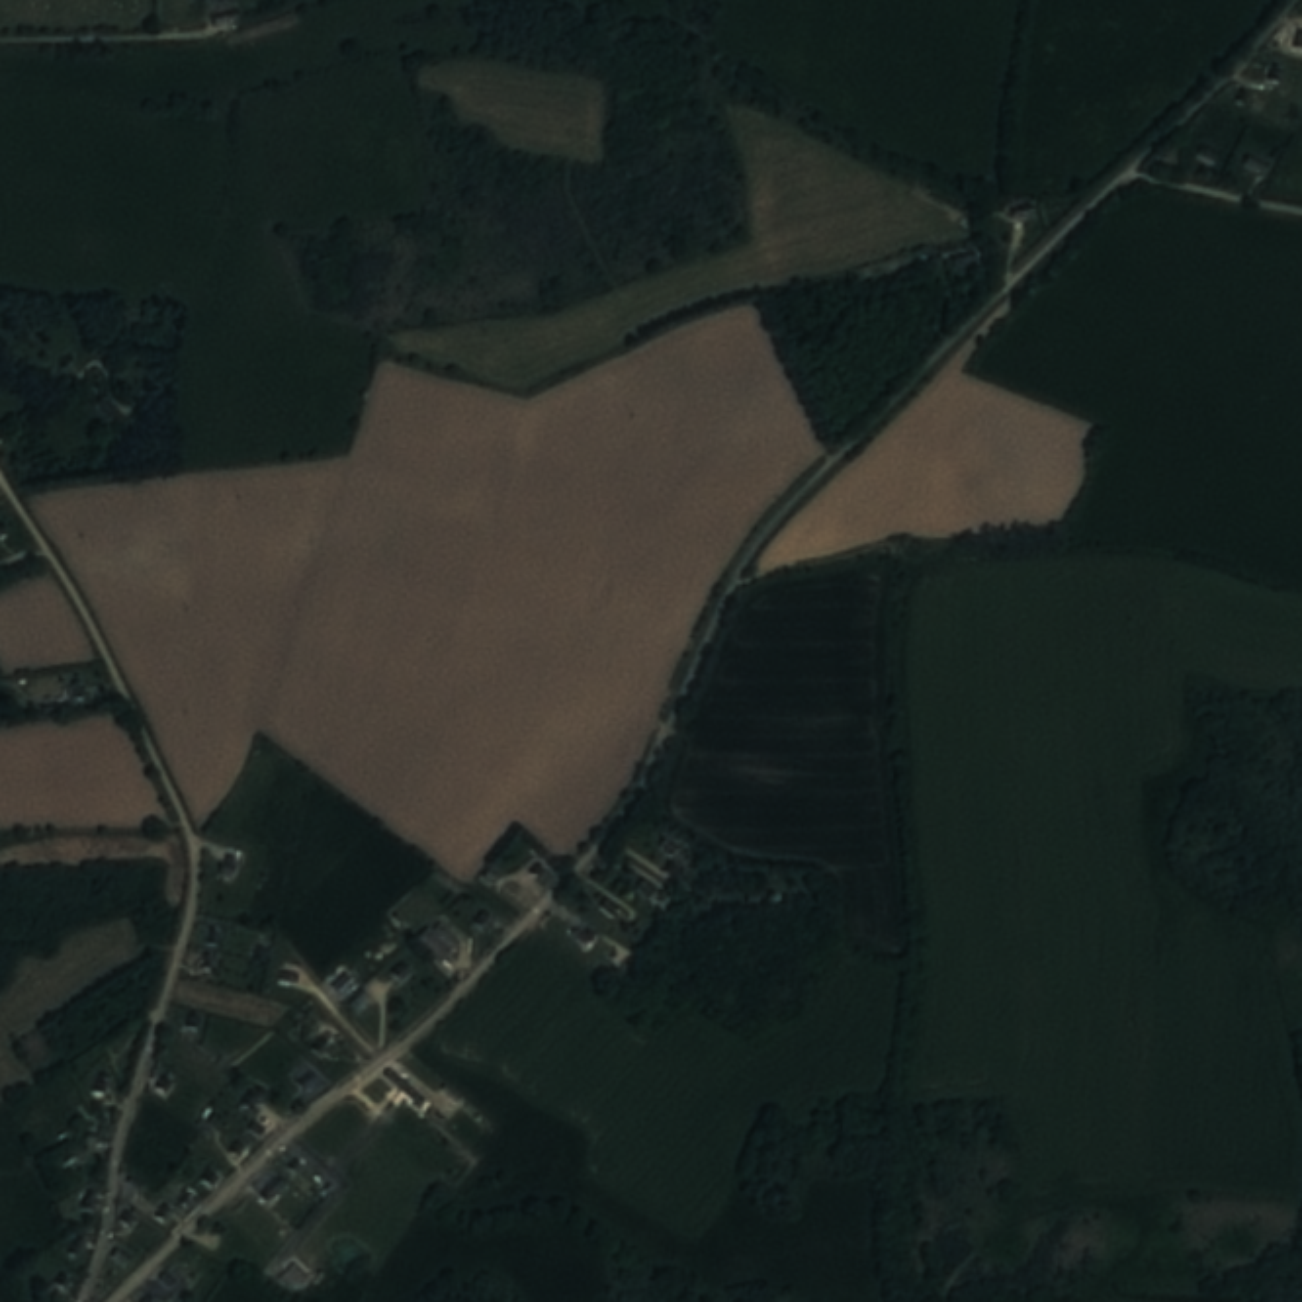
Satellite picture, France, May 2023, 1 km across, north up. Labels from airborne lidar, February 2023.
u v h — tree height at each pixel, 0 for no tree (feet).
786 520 0
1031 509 0
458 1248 0
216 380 0
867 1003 0
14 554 0
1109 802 0
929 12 0
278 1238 0
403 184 0
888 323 46
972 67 0
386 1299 0
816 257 0
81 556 0
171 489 0
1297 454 0
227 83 0
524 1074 0
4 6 0
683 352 0
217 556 0
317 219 0
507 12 60
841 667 0
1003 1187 31
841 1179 21
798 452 0
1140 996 0
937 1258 23
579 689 0
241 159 0
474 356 0
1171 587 0
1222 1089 0
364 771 0
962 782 0
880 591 0
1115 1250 0
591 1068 0
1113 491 0
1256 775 24
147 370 62
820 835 0
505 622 0
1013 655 0
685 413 0
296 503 0
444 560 0
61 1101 0
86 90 0
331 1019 0
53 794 0
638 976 58
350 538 0
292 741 0
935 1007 0
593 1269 0
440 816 0
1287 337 0
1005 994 0
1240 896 35
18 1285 22
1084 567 0
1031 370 0
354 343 0
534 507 0
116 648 0
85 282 0
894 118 0
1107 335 0
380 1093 0
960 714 0
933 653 0
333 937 0
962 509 0
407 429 0
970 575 0
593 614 0
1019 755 0
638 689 0
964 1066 0
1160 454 0
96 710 43
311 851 0
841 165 0
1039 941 0
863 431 47
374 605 0
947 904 0
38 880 30
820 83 0
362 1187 0
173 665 0
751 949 46
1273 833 35
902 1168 51
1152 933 0
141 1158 0
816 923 52
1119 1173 0
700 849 46
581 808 0
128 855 0
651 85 39
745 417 0
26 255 0
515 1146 0
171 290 0
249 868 0
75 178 0
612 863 36
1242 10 0
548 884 0
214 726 0
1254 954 0
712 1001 62
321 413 0
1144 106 0
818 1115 30
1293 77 0
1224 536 0
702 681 39
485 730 0
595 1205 0
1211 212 0
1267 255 0
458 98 0
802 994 36
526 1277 0
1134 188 25
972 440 0
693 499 0
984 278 47
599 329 0
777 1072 0
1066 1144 0
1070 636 0
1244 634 0
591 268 23
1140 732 0
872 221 0
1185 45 0
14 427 25
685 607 0
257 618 0
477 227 0
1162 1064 0
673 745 30
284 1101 51
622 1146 0
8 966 31
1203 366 0
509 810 0
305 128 0
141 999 25
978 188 41
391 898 0
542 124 0
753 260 0
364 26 0
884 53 0
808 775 0
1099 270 0
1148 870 0
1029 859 0
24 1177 0
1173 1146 0
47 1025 30
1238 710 36
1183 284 0
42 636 0
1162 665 0
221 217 0
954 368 0
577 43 62
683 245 38
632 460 0
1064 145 0
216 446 0
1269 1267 40
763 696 0
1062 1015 0
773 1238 0
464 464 0
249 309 0
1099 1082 0
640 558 0
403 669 0
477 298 0
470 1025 0
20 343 62
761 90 36
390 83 0
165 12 0
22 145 0
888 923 0
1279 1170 0
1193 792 46
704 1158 0
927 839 0
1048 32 0
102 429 42
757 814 0
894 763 29
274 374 0
